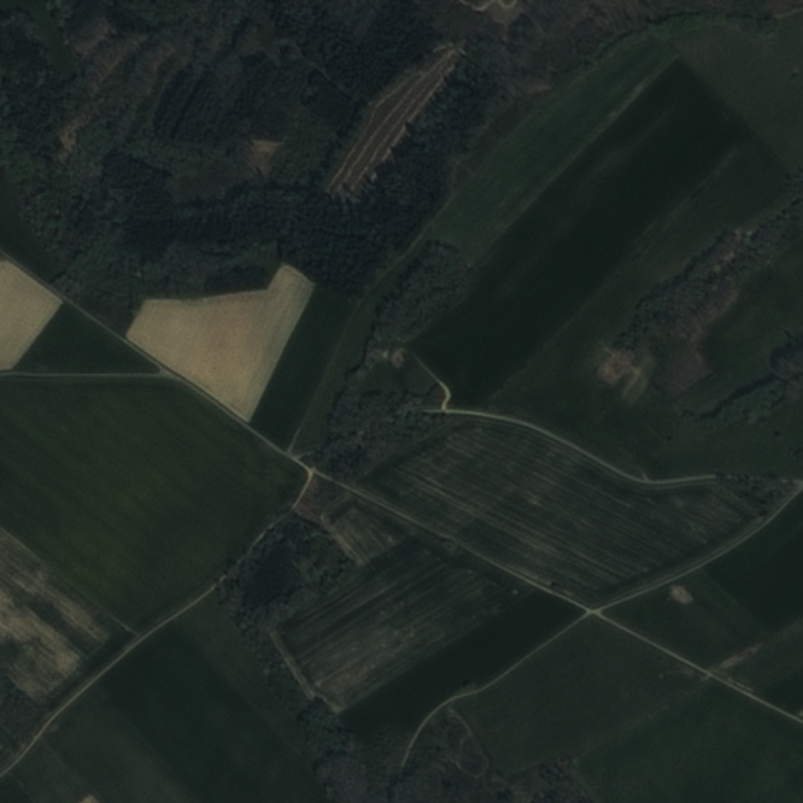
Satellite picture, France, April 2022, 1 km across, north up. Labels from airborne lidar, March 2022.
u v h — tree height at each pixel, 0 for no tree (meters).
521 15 0
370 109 25
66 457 0
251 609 10
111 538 0
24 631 0
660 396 0
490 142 0
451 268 10
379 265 24
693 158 0
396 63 25
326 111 19
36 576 0
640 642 0
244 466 0
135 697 0
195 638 0
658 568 0
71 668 0
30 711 18
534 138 0
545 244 0
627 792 0
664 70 0
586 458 0
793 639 0
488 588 0
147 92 30
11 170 19
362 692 0
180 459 0
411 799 35
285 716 0
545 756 0
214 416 0
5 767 0
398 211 23
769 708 0
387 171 0
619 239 0
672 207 0
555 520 0
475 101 22
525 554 0
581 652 0
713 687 0
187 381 0
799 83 0
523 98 0
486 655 0
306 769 0
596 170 0
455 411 0
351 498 0
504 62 32
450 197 19
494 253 0
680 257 0
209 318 0
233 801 0
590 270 0
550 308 0
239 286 18
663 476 0
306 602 23
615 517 0
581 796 24
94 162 12
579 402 0
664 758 0
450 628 0
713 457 0
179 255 38
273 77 19
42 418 0
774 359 0
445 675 0
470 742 0
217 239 23
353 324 0
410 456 0
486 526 0
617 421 0
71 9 20
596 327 0
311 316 0
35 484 0
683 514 0
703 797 0
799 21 0
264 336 0
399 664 0
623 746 0
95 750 0
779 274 0
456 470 0
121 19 10
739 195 0
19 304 0
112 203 28
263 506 0
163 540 0
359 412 22
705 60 0
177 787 0
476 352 0
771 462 0
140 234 19
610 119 0
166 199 28
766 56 0
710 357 0
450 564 0
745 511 0
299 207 26
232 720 0
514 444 0
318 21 27
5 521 0
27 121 24
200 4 19
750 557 0
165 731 0
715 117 0
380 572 0
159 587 0
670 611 0
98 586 0
